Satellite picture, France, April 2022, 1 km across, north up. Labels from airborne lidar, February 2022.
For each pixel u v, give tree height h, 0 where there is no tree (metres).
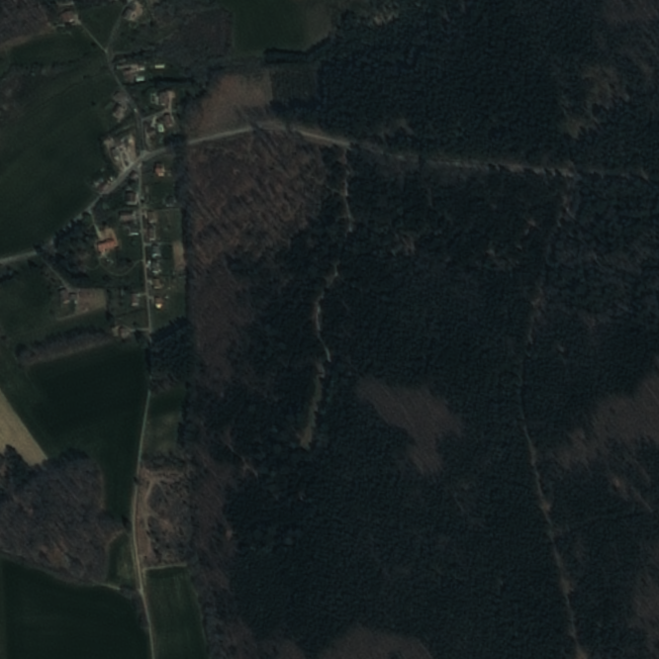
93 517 35
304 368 17
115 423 0
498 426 25
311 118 36
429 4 16
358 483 23
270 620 18
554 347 24
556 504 22
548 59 29
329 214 14
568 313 25
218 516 10
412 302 23
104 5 16
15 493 25
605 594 27
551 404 22
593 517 22
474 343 29
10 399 0
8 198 0
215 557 14
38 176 0
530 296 22
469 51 30
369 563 24
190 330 29
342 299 12
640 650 20
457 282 19
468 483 20
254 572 21
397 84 32
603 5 27
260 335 20
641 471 24
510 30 27
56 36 0
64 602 0
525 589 23
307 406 23
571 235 17
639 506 22
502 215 15
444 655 21
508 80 30
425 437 20
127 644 0
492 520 24
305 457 24
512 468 25
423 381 24
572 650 23
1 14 28
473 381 25
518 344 27
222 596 15
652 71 24
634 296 7
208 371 9
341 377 39
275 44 0
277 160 31
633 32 22
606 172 28
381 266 21
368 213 13
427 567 24
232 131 0
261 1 0
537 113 30
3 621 0
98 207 8
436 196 13
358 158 19
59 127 0
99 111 0
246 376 11
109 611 0
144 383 0
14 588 0
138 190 15
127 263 8
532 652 21
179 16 16
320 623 25
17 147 0
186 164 23
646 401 18
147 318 0
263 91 0
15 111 0
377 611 23
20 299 0
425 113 33
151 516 0
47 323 0
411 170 24
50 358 23
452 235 20
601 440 19
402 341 21
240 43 0
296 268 17
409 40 20
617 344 26
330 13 0
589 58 27
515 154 25
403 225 21
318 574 19
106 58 0
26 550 31
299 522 20
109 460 0
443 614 23
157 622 0
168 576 0
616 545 26
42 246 0
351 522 24
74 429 0
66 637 0
